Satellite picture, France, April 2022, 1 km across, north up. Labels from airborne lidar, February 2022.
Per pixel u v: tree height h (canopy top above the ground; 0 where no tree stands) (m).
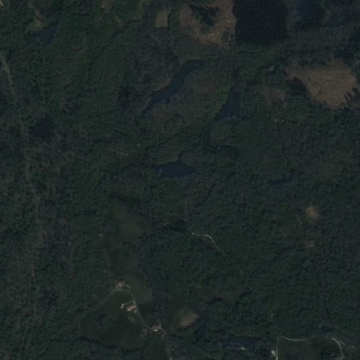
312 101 13
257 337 15
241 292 0
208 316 24
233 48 15
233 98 0
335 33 26
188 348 11
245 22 27
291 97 26
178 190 9
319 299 12
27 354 24
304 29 24
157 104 21
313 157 25
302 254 17
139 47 20
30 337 22
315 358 0
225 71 22
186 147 20
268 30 22
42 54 24
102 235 18
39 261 25
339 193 28
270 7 23
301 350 0
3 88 24
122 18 13
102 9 7
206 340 15
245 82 22
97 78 26
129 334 0
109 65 15
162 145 16
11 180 25
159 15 0
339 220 25
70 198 16
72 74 27
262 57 18
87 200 24
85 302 14
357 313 15
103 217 22
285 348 0
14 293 21
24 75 8
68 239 22
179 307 0
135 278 0
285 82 13
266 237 19
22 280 17
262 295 23
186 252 23
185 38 19
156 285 21
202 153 19
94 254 21
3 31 18
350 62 25
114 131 25
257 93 18
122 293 0
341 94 0
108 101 20
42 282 26
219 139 15
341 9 22
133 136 19
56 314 16
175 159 18
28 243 26
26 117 23
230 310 25
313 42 29
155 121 21
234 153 23
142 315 0
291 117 20
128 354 16
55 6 0
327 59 20
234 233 19
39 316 27
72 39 20
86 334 0
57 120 27
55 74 28
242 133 22
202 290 0
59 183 26
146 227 0
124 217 0
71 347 19
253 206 22
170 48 22
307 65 24
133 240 0
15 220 24
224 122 21
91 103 25
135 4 8
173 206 21
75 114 26
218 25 0
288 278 18
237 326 20
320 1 15
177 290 17
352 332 19
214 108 22
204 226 18
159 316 18
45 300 22
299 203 15
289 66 27
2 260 29
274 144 29
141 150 0
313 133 24
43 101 25
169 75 17
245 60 22
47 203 21
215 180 14
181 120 20
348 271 22
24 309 21
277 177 22
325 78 0
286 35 24
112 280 0
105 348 12
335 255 17
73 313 23
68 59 19
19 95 22
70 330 12
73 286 18
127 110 20
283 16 23
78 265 21
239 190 22
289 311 23
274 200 24
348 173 25
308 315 21
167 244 16
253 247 25
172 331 0
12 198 27
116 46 24
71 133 26
